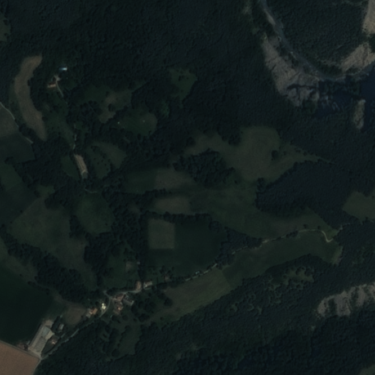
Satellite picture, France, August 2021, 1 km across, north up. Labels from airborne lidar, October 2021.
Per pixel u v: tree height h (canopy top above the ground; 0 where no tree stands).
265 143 0
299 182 17
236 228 0
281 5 15
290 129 19
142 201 21
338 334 18
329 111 0
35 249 17
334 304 12
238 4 18
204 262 0
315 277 12
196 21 19
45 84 16
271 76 17
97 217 0
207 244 0
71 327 0
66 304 0
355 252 14
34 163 18
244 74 19
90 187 20
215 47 17
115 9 29
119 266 0
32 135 18
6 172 0
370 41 7
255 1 15
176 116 31
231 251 14
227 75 29
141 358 22
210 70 19
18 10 21
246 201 0
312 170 14
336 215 18
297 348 33
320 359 15
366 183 15
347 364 16
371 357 12
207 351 24
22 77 0
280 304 7
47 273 19
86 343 14
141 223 18
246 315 11
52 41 22
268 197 19
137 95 18
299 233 24
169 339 14
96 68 22
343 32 11
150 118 0
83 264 0
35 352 0
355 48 8
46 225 0
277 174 0
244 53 28
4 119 0
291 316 14
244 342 16
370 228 11
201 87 24
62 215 0
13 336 0
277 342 22
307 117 19
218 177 21
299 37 8
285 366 18
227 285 0
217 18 16
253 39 19
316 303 12
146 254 19
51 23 19
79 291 16
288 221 0
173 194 9
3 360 0
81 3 23
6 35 8
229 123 13
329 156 20
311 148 17
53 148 13
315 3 13
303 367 25
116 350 11
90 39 11
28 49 22
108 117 0
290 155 0
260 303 13
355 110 10
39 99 20
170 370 18
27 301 0
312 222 0
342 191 19
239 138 18
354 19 11
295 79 0
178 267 0
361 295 0
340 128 14
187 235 0
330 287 10
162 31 20
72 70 8
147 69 21
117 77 10
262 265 0
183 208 0
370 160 17
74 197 20
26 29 15
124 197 29
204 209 0
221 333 13
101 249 21
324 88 12
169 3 20
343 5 13
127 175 8
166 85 19
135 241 20
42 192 0
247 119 20
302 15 12
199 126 26
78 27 23
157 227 0
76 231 16
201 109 16
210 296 0
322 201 18
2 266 0
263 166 0
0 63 13
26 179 18
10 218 0
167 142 32
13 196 0
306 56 11
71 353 25
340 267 12
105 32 21
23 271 0
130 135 21
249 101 21
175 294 0
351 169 15
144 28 22
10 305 0
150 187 0
